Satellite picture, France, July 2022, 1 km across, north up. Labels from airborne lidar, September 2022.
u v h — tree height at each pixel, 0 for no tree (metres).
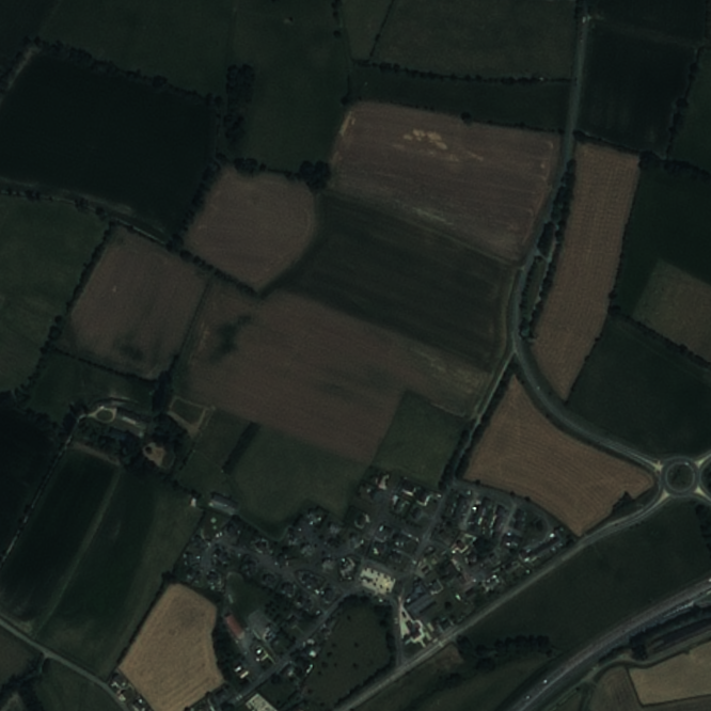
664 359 0
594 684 0
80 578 0
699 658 0
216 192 0
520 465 0
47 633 0
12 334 0
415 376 0
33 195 21
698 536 0
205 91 0
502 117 0
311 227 0
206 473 0
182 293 0
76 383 0
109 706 0
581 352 0
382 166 0
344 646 0
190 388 0
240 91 15
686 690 0
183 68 0
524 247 0
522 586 0
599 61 0
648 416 0
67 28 0
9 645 0
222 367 0
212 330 0
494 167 0
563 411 0
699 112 0
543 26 0
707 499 0
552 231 10
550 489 0
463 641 15
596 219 0
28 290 0
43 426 15
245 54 0
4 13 0
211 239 0
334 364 0
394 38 0
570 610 0
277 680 12
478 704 0
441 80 14
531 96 0
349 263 0
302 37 0
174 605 0
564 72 0
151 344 0
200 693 0
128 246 0
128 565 0
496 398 8
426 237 0
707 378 0
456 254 0
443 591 0
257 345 0
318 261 0
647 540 0
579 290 0
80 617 0
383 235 0
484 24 0
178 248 12
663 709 0
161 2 0
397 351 0
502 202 0
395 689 0
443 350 0
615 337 0
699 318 0
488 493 0
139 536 0
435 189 0
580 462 0
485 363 0
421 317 0
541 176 0
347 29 0
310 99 0
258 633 0
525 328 11
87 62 20
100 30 0
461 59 0
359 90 0
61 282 0
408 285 0
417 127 0
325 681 0
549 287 12
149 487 0
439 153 0
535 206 0
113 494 0
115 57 0
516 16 0
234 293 0
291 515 0
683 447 0
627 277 0
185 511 0
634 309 0
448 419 0
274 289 0
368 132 0
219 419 0
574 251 0
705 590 0
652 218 0
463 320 0
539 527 9
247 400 0
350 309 0
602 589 0
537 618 0
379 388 0
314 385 0
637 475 0
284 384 0
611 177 0
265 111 0
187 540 0
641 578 0
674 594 0
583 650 0
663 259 0
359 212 0
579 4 9
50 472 6
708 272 0
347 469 0
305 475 0
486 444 0
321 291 0
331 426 0
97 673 0
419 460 0
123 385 0
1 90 15
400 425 0
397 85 0
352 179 0
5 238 0
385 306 0
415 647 0
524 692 0
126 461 14
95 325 0
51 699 0
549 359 0
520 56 0
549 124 0
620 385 0
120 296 0
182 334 0
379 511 0
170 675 0
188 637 0
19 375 0
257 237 0
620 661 0
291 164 0
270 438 0
